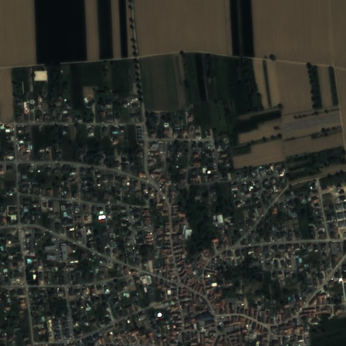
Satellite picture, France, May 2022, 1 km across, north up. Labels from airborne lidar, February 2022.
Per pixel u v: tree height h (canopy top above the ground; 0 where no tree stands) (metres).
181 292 0
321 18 0
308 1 0
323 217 0
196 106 0
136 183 0
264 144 0
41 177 0
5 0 0
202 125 0
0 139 0
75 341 0
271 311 0
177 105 0
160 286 0
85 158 11
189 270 0
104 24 0
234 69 0
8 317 10
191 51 0
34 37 0
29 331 0
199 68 0
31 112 0
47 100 6
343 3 0
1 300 10
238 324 0
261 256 0
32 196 0
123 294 0
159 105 0
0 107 0
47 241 7
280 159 0
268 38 0
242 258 0
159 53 0
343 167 0
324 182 0
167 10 0
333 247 0
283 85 0
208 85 0
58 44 0
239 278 0
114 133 0
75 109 0
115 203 0
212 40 0
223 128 0
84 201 0
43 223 0
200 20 0
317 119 0
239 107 0
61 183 0
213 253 0
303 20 0
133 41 11
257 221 0
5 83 0
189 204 17
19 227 0
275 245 0
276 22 0
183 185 0
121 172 0
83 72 0
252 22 0
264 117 0
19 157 0
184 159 0
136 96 0
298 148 0
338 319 0
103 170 0
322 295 0
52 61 0
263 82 0
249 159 0
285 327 0
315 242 0
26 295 0
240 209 0
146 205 0
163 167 0
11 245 0
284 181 0
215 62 0
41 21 0
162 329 0
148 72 0
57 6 0
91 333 0
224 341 0
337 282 0
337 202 0
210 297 0
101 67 0
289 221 0
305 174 0
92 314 0
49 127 0
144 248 15
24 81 0
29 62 0
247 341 0
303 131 0
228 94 0
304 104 0
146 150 0
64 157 0
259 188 0
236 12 0
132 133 0
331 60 0
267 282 0
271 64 0
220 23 0
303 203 0
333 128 6
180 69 0
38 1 0
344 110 0
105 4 0
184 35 0
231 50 0
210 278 0
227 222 7
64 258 0
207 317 0
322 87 0
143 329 8
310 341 0
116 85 0
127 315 0
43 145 0
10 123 0
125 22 0
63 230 0
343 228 0
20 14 0
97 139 0
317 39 0
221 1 0
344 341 0
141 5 0
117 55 0
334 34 0
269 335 0
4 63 0
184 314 0
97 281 0
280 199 0
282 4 0
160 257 0
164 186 0
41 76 0
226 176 0
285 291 13
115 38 0
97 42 0
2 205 0
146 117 7
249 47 0
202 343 0
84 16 0
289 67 0
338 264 0
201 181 0
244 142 0
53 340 0
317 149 0
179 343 11
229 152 0
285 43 0
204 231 18
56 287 0
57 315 7
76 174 0
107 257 0
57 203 0
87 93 0
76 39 0
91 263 0
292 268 0
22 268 0
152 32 0
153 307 0
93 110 0
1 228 0
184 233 0
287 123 0
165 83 0
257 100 0
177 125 0
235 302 0
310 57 0
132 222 0
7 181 0
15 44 0
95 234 9
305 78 0
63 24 0
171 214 0
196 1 0
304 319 11
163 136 7
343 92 0
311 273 0
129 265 0
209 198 0
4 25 0
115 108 10
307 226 0
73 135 0
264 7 0
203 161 0
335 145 0
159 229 0
